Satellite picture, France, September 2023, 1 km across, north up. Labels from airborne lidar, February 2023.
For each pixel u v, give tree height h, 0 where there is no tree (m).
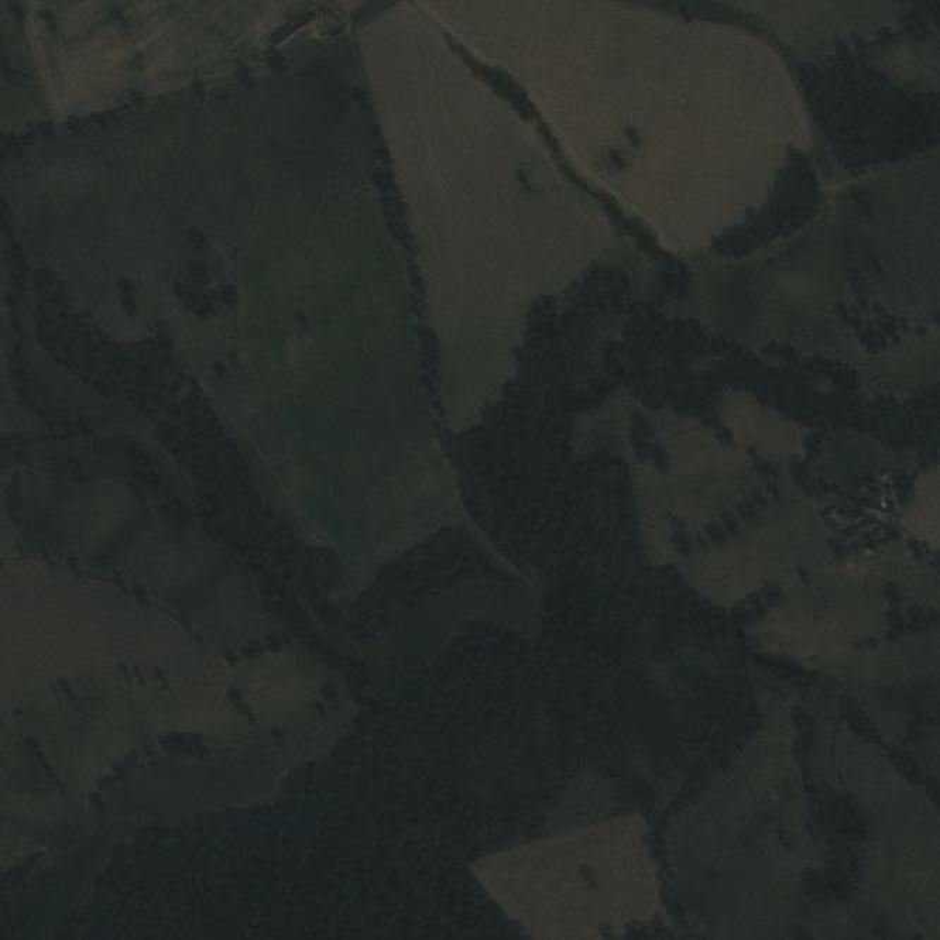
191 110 0
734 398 0
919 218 0
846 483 0
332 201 0
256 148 0
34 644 0
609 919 0
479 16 0
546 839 0
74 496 0
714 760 5
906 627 10
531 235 0
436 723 14
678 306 0
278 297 0
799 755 14
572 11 0
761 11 0
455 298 0
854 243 0
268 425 0
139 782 0
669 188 0
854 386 15
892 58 0
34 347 0
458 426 0
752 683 7
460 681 11
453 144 0
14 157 14
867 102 15
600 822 0
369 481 0
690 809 0
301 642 7
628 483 7
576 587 6
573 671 18
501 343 0
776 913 0
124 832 0
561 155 16
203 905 6
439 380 13
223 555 0
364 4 0
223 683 0
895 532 11
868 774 0
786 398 21
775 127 0
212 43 0
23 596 0
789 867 0
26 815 0
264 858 7
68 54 0
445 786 8
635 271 0
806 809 0
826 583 0
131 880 8
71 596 0
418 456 0
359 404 0
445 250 0
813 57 0
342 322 0
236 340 0
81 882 0
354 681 14
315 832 20
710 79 0
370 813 15
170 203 0
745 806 0
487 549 0
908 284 0
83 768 0
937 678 0
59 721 0
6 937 19
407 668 0
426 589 6
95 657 0
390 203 18
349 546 0
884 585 0
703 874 0
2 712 0
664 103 0
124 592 13
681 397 14
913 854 0
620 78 0
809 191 24
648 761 0
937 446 19
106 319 0
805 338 0
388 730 7
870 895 0
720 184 0
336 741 0
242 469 20
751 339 0
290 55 0
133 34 0
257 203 0
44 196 0
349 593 0
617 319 0
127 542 0
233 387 0
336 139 0
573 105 0
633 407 0
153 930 23
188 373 0
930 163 0
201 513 11
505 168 0
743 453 0
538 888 0
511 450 9
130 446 0
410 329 0
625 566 6
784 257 0
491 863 0
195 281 16
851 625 0
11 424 0
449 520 0
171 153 0
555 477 24
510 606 0
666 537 0
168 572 0
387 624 19
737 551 0
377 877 8
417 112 0
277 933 22
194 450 15
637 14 0
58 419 0
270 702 0
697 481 0
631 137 12
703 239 0
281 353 0
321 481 0
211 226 0
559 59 0
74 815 0
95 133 0
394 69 0
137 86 0
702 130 0
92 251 0
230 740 0
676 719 0
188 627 16
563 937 0
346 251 0
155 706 0
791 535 0
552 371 11
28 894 0
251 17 0
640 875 0
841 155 14
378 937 10
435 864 6
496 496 12
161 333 16
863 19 0
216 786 0
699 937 0
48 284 15
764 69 0
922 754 0
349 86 0
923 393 0
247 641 0
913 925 0
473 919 7
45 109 0
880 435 16
